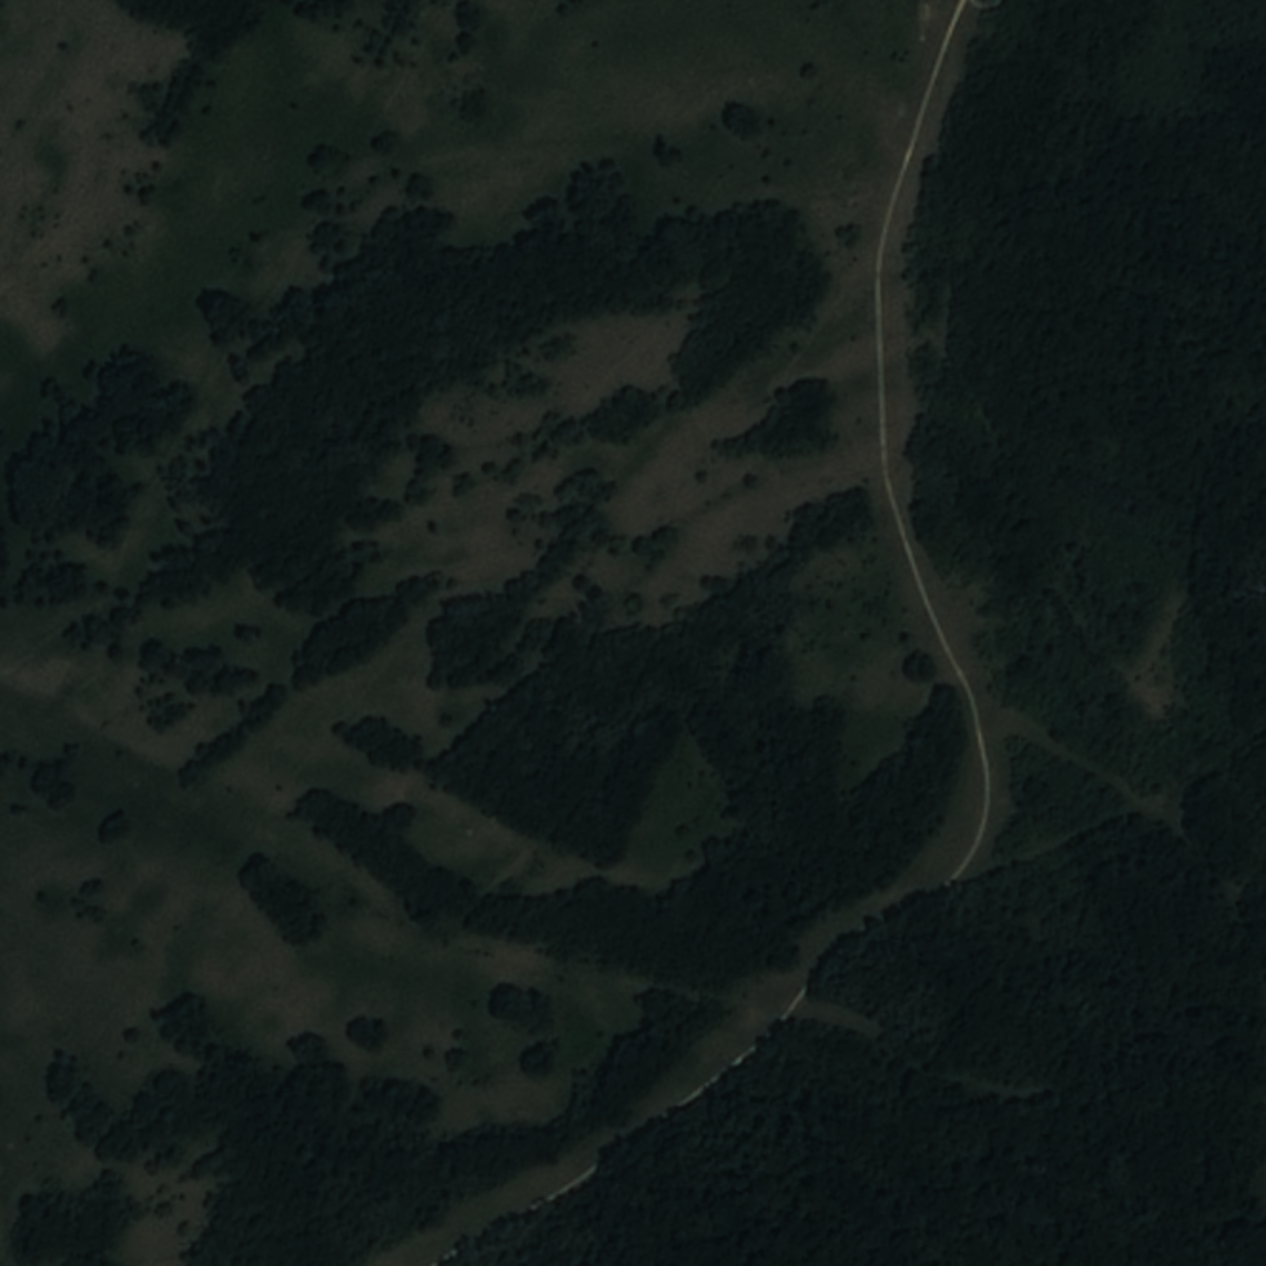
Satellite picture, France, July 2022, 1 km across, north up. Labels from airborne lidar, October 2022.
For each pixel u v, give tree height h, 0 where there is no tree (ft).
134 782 0
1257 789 33
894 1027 38
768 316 49
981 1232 57
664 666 49
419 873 46
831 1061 23
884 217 0
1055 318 55
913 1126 56
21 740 0
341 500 52
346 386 53
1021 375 56
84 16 0
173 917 0
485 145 0
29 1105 0
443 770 44
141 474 0
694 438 0
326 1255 53
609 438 38
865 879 58
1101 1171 52
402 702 0
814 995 42
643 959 47
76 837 0
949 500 26
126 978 0
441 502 0
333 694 0
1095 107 49
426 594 37
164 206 0
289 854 0
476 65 0
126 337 0
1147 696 0
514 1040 0
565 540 24
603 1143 0
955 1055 44
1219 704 22
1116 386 48
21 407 0
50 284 0
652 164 0
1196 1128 76
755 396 0
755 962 61
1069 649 22
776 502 0
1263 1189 0
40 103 0
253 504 43
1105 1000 72
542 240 49
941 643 0
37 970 0
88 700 0
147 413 52
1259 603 62
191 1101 36
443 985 0
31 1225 32
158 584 47
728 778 21
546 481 0
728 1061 0
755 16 0
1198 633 21
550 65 0
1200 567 66
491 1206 0
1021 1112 50
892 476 0
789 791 51
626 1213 64
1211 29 24
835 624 0
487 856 0
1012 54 27
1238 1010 24
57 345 0
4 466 0
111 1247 43
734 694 31
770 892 63
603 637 23
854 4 0
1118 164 47
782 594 58
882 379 0
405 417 29
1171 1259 53
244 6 65
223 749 41
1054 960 52
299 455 54
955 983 78
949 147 33
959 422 25
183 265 0
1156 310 74
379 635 44
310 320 60
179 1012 54
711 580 27
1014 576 37
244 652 0
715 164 0
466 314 49
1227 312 38
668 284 30
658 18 0
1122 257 34
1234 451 69
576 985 0
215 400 0
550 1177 0
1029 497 25
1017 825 27
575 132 0
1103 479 31
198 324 0
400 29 41
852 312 0
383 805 0
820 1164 77
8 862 0
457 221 35
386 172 0
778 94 0
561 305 37
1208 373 51
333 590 47
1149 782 19
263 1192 45
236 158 0
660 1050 58
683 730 40
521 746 44
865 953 58
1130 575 24
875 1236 82
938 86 0
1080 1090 65
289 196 0
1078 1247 78
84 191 0
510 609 42
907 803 64
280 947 0
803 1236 62
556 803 44
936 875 0
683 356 21
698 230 48
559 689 35
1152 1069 72
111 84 0
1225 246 64
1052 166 42
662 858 0
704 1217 70
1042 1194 63
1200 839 43
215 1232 33
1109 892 55
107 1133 21
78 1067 28
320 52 0
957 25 0
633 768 53
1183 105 22
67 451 56
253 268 0
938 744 48
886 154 0
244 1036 0
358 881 0
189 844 0
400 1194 19
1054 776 26
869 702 0
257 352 36
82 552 0
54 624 0
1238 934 44
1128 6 53
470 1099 0
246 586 0
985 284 48
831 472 0
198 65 31
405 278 61
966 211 38
